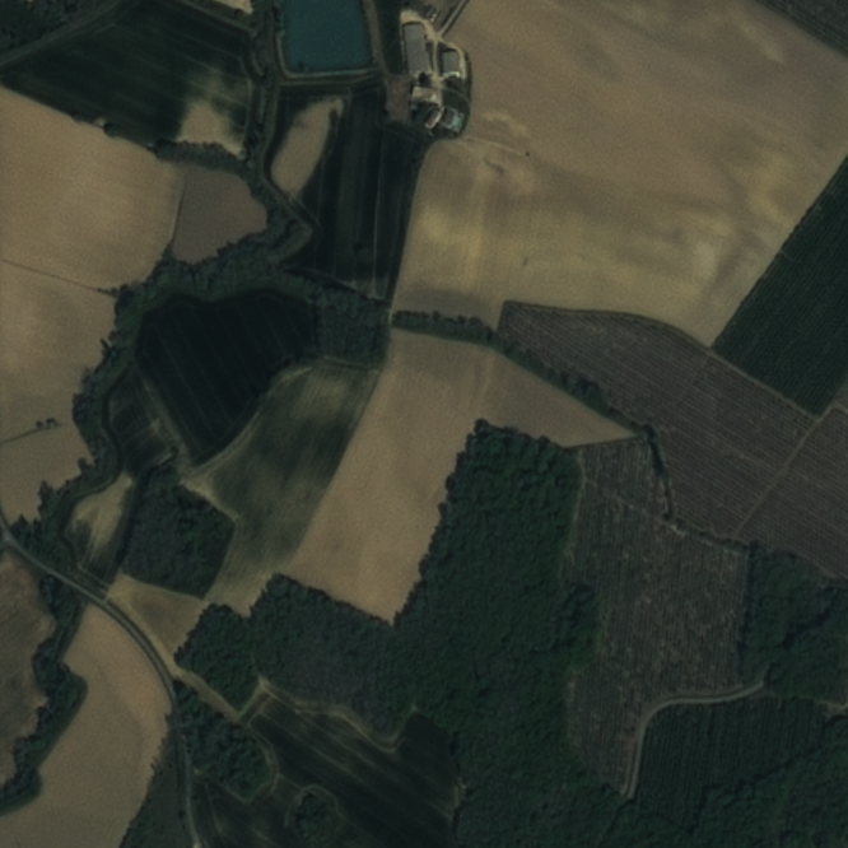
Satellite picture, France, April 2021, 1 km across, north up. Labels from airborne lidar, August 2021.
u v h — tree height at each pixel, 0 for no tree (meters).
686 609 6
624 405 7
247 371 0
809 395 5
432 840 0
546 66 0
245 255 17
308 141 0
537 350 6
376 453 0
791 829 20
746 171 0
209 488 0
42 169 0
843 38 7
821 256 7
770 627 22
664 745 7
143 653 0
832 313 6
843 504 6
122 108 0
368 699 15
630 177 0
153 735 0
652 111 0
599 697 7
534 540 24
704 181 0
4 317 0
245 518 0
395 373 0
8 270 0
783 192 0
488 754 20
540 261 0
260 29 7
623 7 0
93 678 0
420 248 0
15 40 16
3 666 0
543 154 0
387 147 0
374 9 0
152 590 0
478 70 0
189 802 0
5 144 0
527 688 24
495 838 20
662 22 0
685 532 14
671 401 6
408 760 0
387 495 0
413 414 0
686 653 6
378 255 0
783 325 6
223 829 0
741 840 25
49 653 18
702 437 6
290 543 0
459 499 21
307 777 0
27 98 0
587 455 8
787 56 0
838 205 7
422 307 0
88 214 0
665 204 0
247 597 0
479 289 0
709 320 0
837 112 0
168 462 9
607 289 0
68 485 8
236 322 0
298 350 0
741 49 0
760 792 19
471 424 0
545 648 22
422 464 0
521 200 0
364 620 13
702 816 18
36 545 23
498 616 22
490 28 0
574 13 0
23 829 0
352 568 0
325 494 0
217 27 0
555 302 0
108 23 0
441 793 0
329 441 0
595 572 7
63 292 0
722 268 0
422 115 8
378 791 0
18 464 0
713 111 0
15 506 0
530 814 21
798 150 0
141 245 0
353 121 0
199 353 0
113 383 0
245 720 0
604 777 10
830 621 19
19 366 0
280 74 0
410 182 0
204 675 20
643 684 7
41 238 0
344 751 0
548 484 28
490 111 0
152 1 0
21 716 0
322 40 0
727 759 10
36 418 0
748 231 0
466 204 0
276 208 7
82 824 0
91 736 0
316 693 14
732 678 6
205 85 0
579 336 5
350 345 23
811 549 7
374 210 0
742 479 7
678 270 0
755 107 0
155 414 0
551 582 22
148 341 0
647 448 7
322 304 29
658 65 0
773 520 6
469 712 15
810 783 21
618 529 8
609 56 0
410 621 16
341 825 0
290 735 0
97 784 0
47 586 9
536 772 24
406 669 18
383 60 0
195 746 17
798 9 6
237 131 0
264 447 0
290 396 0
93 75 0
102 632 0
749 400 5
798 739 9
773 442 7
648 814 17
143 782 0
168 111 0
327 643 19
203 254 0
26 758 8
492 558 20
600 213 0
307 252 0
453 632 22
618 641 7
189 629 0
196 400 0
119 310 11
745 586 7
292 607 21
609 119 0
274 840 0
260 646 20
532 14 0
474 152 0
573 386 20
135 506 0
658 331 6
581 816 19
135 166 0
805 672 25
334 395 0
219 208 0
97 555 0
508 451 28
